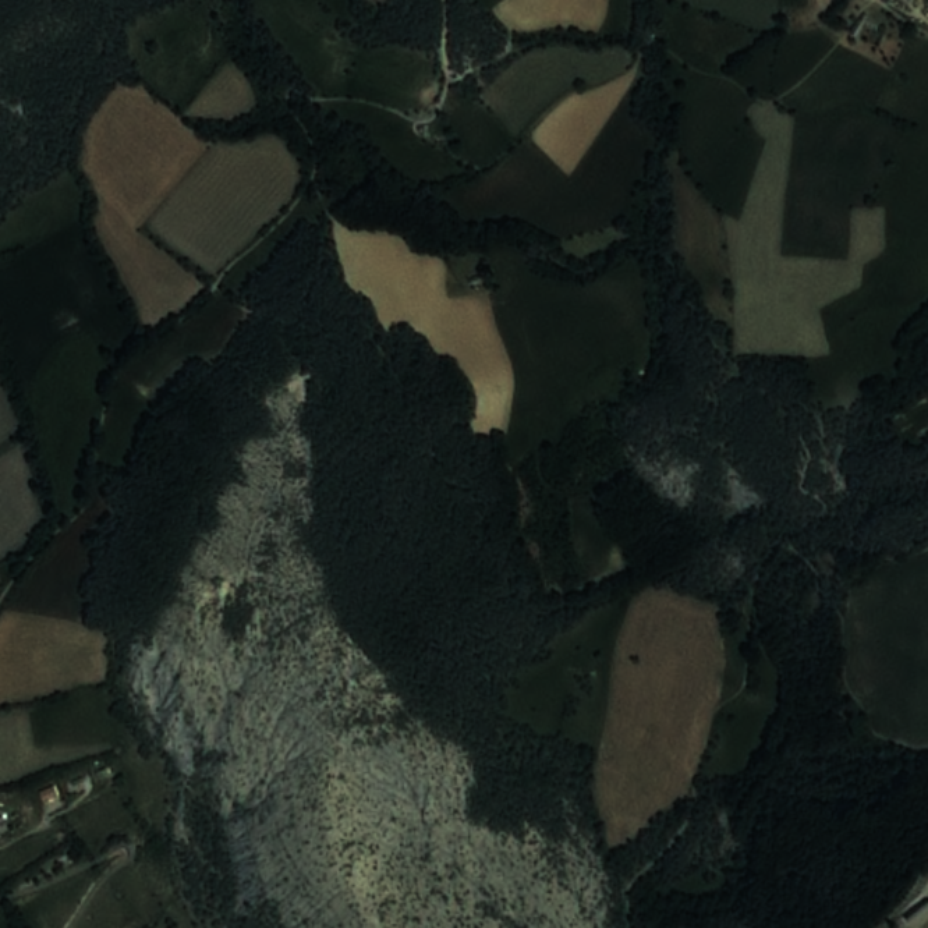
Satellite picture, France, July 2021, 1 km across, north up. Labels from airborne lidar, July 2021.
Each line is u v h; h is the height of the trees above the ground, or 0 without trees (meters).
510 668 7
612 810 0
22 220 0
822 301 0
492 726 9
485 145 0
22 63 7
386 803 0
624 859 7
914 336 15
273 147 0
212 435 16
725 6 0
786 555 8
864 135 0
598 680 0
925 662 0
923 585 0
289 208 8
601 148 0
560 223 0
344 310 13
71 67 9
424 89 0
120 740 0
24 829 0
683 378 14
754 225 0
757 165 0
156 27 0
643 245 8
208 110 0
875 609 0
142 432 18
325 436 9
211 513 7
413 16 10
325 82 0
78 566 0
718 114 0
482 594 14
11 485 0
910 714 0
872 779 17
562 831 5
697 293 9
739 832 23
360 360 18
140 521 21
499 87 0
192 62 0
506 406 0
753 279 0
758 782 26
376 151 16
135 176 0
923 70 0
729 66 12
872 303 0
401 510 13
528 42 9
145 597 12
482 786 7
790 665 24
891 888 23
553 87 0
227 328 0
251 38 19
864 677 0
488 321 0
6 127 5
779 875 33
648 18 15
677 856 16
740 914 11
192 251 0
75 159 9
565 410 0
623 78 0
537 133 0
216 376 14
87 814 0
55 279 0
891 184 0
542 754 12
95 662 0
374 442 14
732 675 0
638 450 6
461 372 12
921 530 13
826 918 28
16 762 0
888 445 17
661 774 0
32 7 8
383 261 0
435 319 0
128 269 0
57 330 0
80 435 0
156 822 0
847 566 19
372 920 0
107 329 0
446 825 0
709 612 0
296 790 0
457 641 12
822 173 0
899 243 0
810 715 25
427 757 0
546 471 8
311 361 11
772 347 0
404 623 17
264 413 10
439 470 17
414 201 24
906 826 27
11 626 0
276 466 0
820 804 28
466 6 7
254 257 0
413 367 16
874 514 17
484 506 16
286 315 16
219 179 0
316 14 0
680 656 0
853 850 30
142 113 0
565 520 6
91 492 23
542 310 0
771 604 17
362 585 13
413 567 16
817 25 0
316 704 0
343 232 0
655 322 13
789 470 8
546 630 10
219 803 6
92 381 0
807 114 0
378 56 0
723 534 6
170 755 6
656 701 0
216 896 10
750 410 16
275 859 0
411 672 11
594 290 0
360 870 0
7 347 11
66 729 0
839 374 0
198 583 0
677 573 19
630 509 26
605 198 0
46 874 8
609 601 9
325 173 7
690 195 0
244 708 0
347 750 0
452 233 22
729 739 0
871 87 0
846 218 0
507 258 0
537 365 0
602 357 0
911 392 12
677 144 11
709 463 7
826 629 23
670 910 20
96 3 7
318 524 7
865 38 8
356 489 13
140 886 0
